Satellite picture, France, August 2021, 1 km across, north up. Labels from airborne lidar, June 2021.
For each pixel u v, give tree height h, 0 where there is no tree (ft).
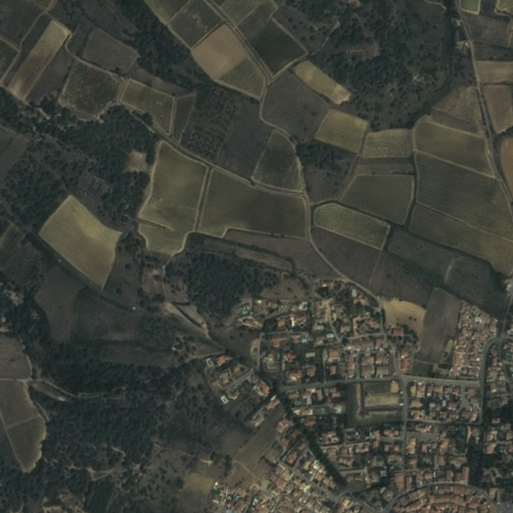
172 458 0
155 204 0
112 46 0
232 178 0
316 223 0
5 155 0
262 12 0
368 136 0
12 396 0
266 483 0
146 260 26
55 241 0
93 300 0
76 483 50
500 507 0
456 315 0
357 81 27
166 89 0
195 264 27
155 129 0
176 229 0
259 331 23
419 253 0
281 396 45
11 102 36
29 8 0
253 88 0
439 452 0
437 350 0
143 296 21
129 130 37
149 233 0
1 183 0
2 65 0
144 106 0
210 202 0
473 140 0
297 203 0
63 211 0
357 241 0
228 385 0
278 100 0
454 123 0
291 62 0
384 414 0
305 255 0
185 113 0
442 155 0
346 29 23
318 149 35
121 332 0
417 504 0
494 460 45
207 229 0
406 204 0
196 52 0
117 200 40
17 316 32
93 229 0
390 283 0
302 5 34
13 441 0
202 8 0
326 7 32
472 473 24
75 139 45
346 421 21
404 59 38
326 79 0
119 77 22
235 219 0
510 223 0
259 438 0
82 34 0
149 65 22
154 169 0
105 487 25
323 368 32
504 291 19
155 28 40
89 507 21
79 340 28
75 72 0
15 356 0
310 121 0
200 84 23
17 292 36
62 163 26
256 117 0
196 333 0
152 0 0
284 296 0
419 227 0
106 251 0
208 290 23
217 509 0
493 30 0
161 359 0
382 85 25
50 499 23
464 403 0
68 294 0
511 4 0
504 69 0
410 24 24
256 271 32
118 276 0
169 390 32
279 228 0
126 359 0
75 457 54
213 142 19
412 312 0
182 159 0
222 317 22
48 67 0
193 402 31
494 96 0
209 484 0
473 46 0
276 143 0
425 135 0
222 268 48
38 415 0
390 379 0
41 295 0
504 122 0
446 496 0
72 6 20
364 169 0
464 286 0
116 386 21
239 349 0
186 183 0
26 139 0
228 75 0
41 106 26
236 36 0
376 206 0
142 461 40
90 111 0
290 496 0
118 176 26
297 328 28
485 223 0
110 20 0
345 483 52
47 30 0
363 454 22
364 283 0
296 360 28
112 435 49
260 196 0
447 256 0
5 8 0
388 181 0
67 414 42
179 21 0
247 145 0
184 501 0
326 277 0
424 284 0
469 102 0
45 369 21
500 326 0
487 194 0
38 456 0
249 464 0
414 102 0
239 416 29
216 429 0
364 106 25
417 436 0
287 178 0
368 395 0
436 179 0
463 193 0
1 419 0
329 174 21
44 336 20
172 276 42
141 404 23
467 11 0
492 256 0
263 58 0
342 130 0
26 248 0
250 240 0
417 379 0
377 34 22
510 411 24
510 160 0
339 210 0
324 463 44
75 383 33
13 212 27
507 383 24
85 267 0
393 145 0
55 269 0
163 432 28
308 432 47
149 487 21
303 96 0
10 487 43
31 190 30
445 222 0
